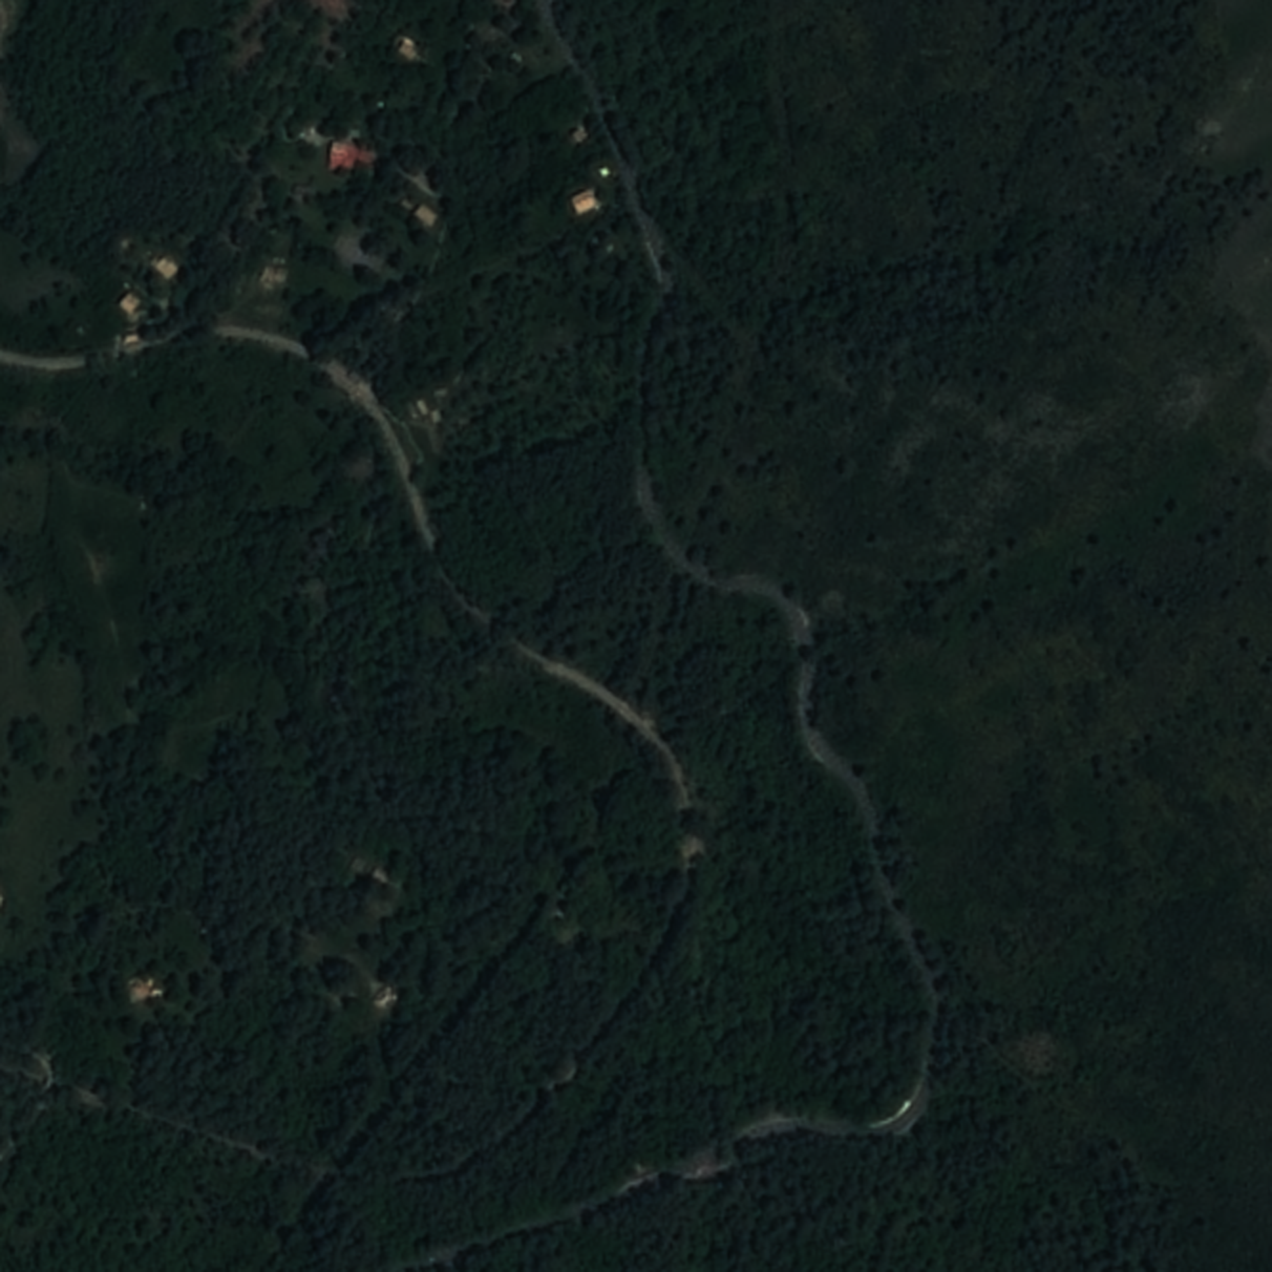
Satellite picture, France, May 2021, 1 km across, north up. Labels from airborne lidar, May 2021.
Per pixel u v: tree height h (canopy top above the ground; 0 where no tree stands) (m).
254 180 24
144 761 25
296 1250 19
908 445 0
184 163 23
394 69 12
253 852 24
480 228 13
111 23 19
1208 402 0
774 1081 14
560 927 18
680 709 19
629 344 18
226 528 9
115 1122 18
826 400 12
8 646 0
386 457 18
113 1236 16
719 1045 18
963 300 22
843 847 9
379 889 25
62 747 0
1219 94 0
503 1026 18
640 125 21
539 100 14
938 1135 18
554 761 19
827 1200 7
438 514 12
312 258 19
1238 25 0
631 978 20
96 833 0
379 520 20
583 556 13
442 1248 19
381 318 31
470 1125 25
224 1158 13
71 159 17
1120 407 0
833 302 14
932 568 12
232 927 25
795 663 10
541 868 30
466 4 12
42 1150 13
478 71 14
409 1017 23
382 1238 18
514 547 17
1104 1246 10
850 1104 22
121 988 13
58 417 7
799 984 22
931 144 12
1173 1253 20
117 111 23
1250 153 0
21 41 9
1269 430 0
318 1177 27
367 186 13
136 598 0
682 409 17
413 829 31
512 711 10
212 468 25
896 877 22
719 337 23
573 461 28
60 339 10
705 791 20
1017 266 24
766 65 15
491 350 14
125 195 23
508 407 19
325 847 29
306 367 11
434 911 21
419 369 20
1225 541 11
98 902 11
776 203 10
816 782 8
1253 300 0
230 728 6
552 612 23
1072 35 10
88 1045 20
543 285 14
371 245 15
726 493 11
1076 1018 6
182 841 17
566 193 8
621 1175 16
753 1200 18
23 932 15
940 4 10
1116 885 6
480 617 24
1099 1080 7
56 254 17
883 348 8
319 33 12
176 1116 24
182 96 13
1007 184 11
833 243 8
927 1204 23
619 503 25
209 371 8
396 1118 21
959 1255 6
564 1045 26
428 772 20
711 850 12
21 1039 30
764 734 10
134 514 0
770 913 21
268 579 20
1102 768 14
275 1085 16
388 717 9
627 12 22
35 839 0
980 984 15
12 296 0
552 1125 22
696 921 27
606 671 6
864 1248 10
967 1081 15
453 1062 23
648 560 18
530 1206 19
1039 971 6
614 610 14
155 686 22
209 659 14
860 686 17
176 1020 11
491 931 26
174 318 17
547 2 0
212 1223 11
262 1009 14
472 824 27
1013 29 12
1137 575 6
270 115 18
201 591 13
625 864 15
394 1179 27
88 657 15
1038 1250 21
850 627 19
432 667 26
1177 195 12
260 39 18
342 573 16
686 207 16
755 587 0
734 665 9
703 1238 14
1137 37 12
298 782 18
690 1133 27
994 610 19
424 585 27
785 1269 11
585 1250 20
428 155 23
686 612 15
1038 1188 8
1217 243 8
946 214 13
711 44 17
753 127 17
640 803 24
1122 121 10
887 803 8
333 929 26
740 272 12
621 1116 25
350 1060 9
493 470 22
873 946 21
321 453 8
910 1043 26
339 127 8
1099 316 0
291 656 20
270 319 0
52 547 9
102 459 12
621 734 6
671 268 19
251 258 14
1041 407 0
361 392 0
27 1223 18
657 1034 19
